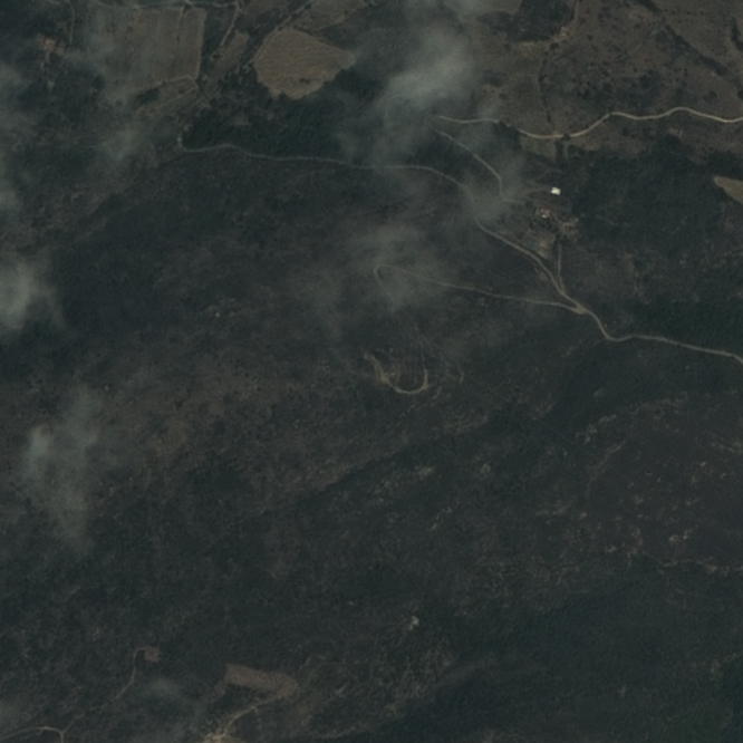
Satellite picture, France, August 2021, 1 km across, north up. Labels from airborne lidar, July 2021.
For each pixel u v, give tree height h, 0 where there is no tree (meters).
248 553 0
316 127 7
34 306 10
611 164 10
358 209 0
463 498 0
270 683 0
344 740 5
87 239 0
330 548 0
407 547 0
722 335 6
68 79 8
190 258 0
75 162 8
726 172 6
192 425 0
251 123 6
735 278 8
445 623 6
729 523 0
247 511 0
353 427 0
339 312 0
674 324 8
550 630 6
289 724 0
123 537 5
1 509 0
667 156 8
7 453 0
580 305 0
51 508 0
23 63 7
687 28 0
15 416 0
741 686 10
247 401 0
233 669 0
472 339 0
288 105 13
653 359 0
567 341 0
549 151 0
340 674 0
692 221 6
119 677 7
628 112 0
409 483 0
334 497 0
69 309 6
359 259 0
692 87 0
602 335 0
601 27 0
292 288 0
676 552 0
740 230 0
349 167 5
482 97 0
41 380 5
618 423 0
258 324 0
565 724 0
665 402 0
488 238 0
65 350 6
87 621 0
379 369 0
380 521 0
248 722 0
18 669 6
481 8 0
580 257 0
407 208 0
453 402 0
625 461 0
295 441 0
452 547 0
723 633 6
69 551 6
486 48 0
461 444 0
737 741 5
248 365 0
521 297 0
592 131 0
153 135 10
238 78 10
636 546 0
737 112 0
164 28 0
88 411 0
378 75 8
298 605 0
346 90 8
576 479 0
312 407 0
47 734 8
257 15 0
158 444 0
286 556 0
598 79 0
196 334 0
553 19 7
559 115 0
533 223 6
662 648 5
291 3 0
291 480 0
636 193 8
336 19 0
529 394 0
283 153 8
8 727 0
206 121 6
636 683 6
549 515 0
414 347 0
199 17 0
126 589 6
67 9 6
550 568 6
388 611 0
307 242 0
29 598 7
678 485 0
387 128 9
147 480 0
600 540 0
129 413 0
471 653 6
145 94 6
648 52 0
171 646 5
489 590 8
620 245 0
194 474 6
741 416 0
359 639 0
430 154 8
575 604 7
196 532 0
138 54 0
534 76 0
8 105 7
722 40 0
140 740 0
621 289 0
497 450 0
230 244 0
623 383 0
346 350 0
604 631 7
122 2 7
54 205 0
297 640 0
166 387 0
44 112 6
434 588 0
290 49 0
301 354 0
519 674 0
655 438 0
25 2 6
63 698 6
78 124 6
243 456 0
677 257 7
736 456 0
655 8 8
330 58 0
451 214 0
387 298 0
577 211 8
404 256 0
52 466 0
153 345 0
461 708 6
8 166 11
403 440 0
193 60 0
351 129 7
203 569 0
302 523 0
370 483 0
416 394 0
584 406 0
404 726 8
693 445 0
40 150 9
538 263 0
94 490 0
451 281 0
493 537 0
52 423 0
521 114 0
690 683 6
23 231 0
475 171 8
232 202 6
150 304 5
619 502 0
